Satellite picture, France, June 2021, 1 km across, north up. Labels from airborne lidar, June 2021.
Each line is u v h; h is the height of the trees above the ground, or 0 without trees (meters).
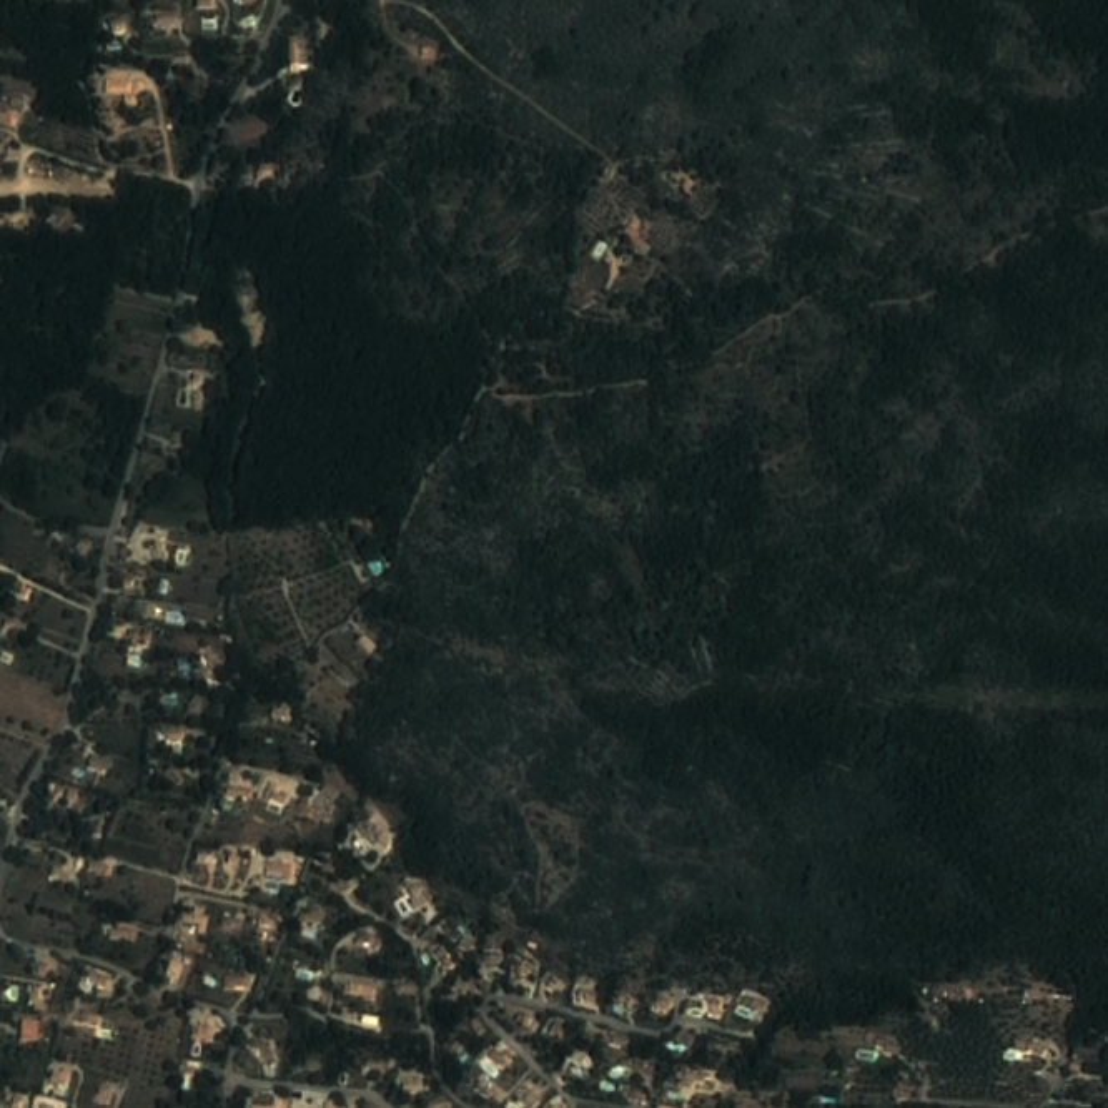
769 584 13
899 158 11
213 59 15
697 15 8
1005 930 6
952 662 7
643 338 6
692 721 14
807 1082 0
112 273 17
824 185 8
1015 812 7
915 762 10
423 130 7
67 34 12
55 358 10
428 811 6
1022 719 6
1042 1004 6
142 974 10
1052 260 8
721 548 9
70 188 0
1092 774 6
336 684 0
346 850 7
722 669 9
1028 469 10
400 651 9
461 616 6
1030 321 9
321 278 17
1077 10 10
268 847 9
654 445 5
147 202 8
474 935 7
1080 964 10
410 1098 11
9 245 11
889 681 7
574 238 9
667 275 11
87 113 12
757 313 9
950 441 7
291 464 13
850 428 6
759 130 11
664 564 13
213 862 0
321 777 9
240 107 11
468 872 7
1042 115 12
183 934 0
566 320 10
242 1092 10
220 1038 8
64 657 8
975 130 12
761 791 8
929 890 10
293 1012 12
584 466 6
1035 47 7
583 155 8
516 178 8
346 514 10
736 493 10
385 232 9
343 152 11
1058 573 9
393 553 10
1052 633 7
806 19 8
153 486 13
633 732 8
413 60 0
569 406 8
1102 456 8
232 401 12
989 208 6
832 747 12
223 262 18
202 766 14
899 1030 6
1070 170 6
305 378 16
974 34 9
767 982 11
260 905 7
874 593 10
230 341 18
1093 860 6
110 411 10
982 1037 7
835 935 12
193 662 7
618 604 11
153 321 0
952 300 7
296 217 13
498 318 10
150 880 0
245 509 13
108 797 9
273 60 12
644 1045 9
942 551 8
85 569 11
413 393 16
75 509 0
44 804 9
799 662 7
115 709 8
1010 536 9
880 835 7
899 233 8
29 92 0
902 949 7
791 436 9
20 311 17
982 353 7
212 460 11
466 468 7
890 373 10
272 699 13
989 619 8
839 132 9
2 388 18
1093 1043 11
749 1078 13
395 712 6
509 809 7
